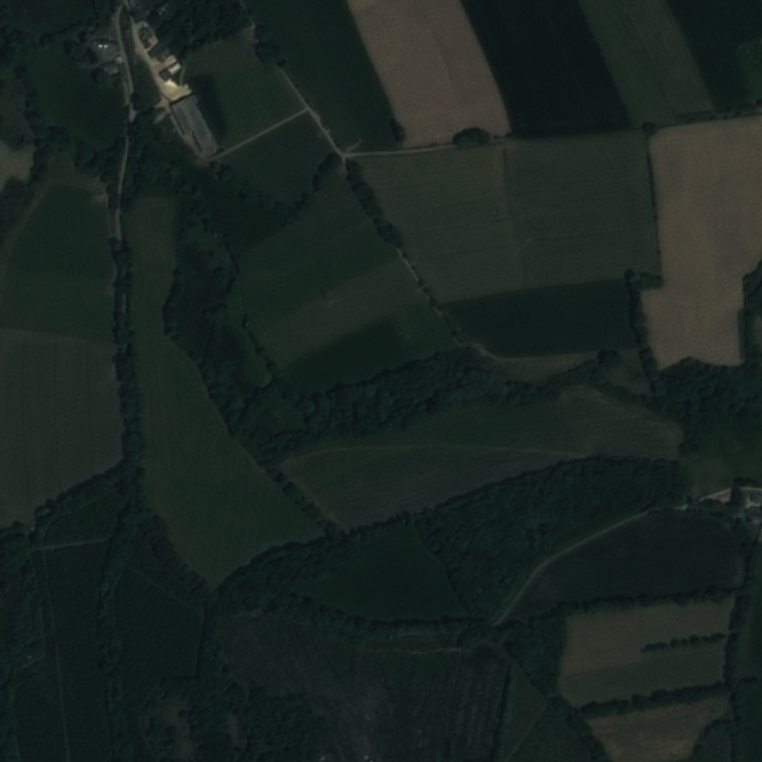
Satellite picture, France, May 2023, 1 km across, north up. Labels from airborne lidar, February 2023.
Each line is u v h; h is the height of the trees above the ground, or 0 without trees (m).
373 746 0
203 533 0
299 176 0
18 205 0
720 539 0
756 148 0
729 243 0
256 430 7
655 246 0
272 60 17
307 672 0
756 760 0
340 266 0
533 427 0
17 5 0
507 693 13
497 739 16
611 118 0
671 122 0
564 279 0
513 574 21
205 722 14
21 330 0
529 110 0
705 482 0
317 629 16
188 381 0
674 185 0
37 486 0
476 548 24
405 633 19
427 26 0
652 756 0
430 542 13
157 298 0
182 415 0
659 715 0
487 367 0
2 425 0
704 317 0
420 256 0
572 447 0
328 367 0
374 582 0
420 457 0
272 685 0
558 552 0
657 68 0
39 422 0
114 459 0
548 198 0
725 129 0
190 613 6
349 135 0
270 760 10
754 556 14
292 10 0
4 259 0
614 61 0
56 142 30
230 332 0
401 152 0
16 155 0
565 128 0
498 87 0
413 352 0
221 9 10
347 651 0
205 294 0
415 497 0
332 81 0
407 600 0
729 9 0
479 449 0
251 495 0
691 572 0
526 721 0
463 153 0
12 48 17
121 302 9
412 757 0
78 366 0
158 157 10
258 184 0
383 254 0
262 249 0
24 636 12
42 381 0
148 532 18
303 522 0
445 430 0
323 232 0
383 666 0
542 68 0
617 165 0
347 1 0
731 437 0
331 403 15
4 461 0
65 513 12
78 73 0
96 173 18
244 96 0
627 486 21
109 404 0
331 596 0
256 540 0
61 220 0
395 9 0
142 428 15
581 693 0
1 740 16
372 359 0
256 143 0
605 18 0
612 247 0
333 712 0
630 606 17
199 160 0
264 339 0
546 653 18
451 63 0
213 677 16
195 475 0
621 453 0
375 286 0
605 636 0
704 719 0
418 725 0
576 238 0
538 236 0
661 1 0
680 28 0
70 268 0
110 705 13
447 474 0
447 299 0
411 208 0
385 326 0
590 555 0
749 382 14
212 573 0
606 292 0
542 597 0
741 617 15
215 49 0
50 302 0
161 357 0
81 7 0
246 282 0
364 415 9
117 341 13
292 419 0
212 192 0
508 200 0
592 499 20
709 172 0
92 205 0
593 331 0
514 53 0
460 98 0
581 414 0
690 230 0
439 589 0
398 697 0
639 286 14
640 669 0
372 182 0
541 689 14
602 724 0
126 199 12
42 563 7
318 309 0
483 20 0
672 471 7
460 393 22
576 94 0
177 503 0
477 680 0
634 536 0
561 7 0
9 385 0
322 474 0
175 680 7
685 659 0
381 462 0
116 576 17
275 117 0
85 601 5
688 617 0
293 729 10
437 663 0
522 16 0
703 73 0
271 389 12
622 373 0
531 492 21
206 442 0
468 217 0
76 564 6
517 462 0
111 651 16
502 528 19
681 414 10
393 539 0
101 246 0
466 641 19
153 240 0
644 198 0
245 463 0
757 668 0
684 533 0
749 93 0
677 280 0
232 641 0
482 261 0
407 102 0
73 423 0
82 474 0
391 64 0
